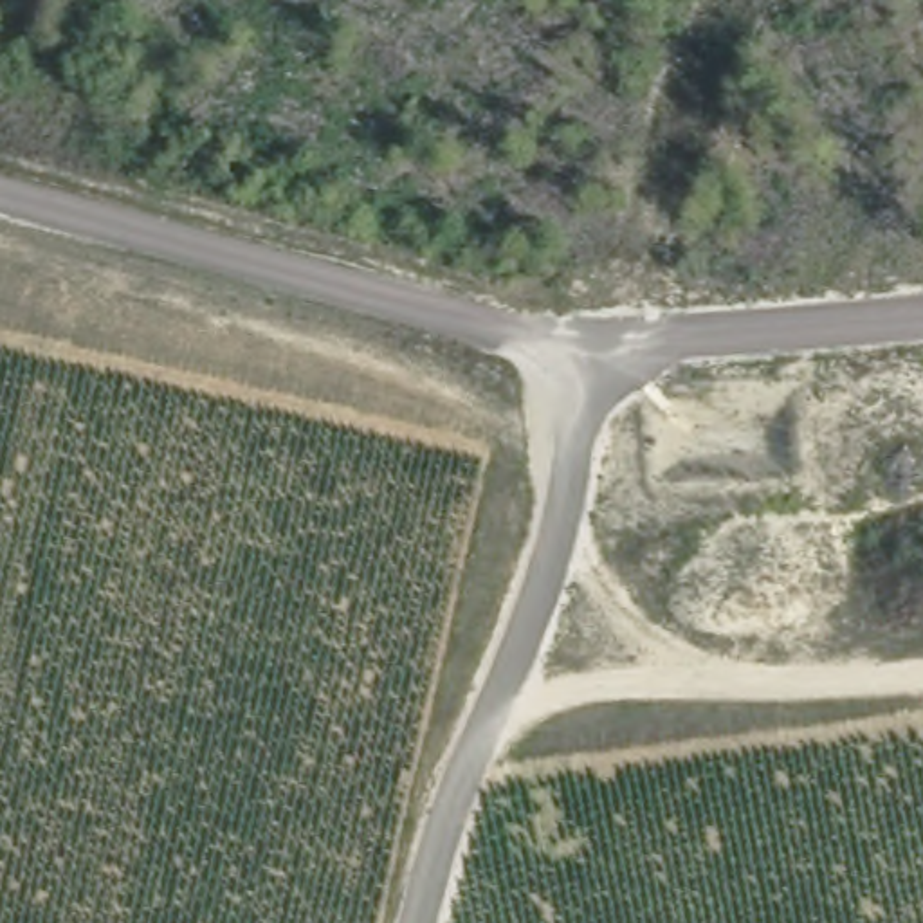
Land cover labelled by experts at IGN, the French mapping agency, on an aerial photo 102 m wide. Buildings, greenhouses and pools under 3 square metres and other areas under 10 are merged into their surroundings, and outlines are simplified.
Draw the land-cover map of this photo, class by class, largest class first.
<instances>
[{"label":"vineyard","instance_id":"1","mask_svg":"<svg viewBox=\"0 0 923 923\"><path fill-rule=\"evenodd\" d=\"M490 469L487 440L357 411L346 404L263 389L238 379L187 371L144 357L105 353L76 346L69 339L0 328V923H393L418 808L429 790L433 768L447 746V736L440 725H433V710L462 599L469 541ZM436 923H923V710L512 761V779L494 782L480 797L472 844H454Z\"/></svg>","mask_w":923,"mask_h":923},{"label":"coniferous trees","instance_id":"2","mask_svg":"<svg viewBox=\"0 0 923 923\"><path fill-rule=\"evenodd\" d=\"M707 0H0V177L54 187L90 202L123 206L245 245H274L299 256L339 252V260L350 263L393 260L397 267L418 278H440L451 296L494 292L501 303L516 310L566 314L606 306H617V281L609 260L645 267L681 263L685 242H660L671 216L685 213L696 227L707 231L714 213L728 220L743 206V213L754 224L761 220L754 180L743 166L739 133H750L754 141L775 151L818 144L822 137H829L826 123L815 119L804 83L790 76L782 61L743 58L746 40L754 32L746 22L732 18L728 25L714 29L699 22Z\"/></svg>","mask_w":923,"mask_h":923},{"label":"herbaceous vegetation","instance_id":"3","mask_svg":"<svg viewBox=\"0 0 923 923\"><path fill-rule=\"evenodd\" d=\"M0 328L69 339L76 346L105 353L144 357L187 371L238 379L263 389L346 404L357 411L487 440L490 469L469 541L462 599L433 710V725H440L447 736L483 656V645L494 631L505 588L512 580V566L519 559L534 516V483L526 462L530 436L519 368L498 353L472 350L462 339H447L436 328H418L407 321L350 310L343 303L274 288L270 281H252L231 270L155 256L144 249L87 245L76 238L40 234L0 220ZM663 397L656 404L631 407L613 425V476L599 490L591 512V537L599 555L617 570V577L645 609V617L663 624L671 635L685 638L696 649L746 663L923 656V602L916 606V617L898 624L876 617L873 591H862L851 580V530L883 512H905L912 505H923V343H865L840 346L836 353L811 357L808 350L772 361L707 357L703 368H678L660 386ZM638 656L606 624L602 609L591 606L588 591H580L570 599L562 613V627L555 635L544 674L559 678L591 667H635ZM923 710V692L851 699H606L548 714L544 721L530 725L508 750L512 761Z\"/></svg>","mask_w":923,"mask_h":923},{"label":"impervious surface","instance_id":"4","mask_svg":"<svg viewBox=\"0 0 923 923\"><path fill-rule=\"evenodd\" d=\"M0 220L40 234L76 238L87 245L144 249L155 256L231 270L252 281H270L274 288L343 303L350 310L407 321L418 328H436L447 339H462L472 350L498 353L519 368L530 436L526 462L534 483V516L519 559L512 566V580L505 588L494 631L483 645V656L447 736V746L433 768L429 790L418 808L393 923H436L454 844H472L480 797L494 782L512 779V761L508 750L501 757L494 754V736L505 717V707L519 696L534 667L537 642L562 591V577L577 544L580 505L599 429L617 400L645 386H660L678 368H703L707 357L772 361L808 350L811 357L836 353L840 346L865 343H923V296L779 310H746L743 303H736V310L725 314L696 310L660 321L609 317L606 306L566 314L516 310L501 303L494 292L451 296L440 278H418L397 267L393 260L350 263L339 260V252L299 256L274 245H245L123 206L90 202L54 187L0 177Z\"/></svg>","mask_w":923,"mask_h":923},{"label":"clear cut","instance_id":"5","mask_svg":"<svg viewBox=\"0 0 923 923\"><path fill-rule=\"evenodd\" d=\"M732 18L746 22L754 32L746 40L743 58L782 61L790 76L804 83L815 119L826 123L829 137H822L818 144L775 151L754 141L750 133H739L743 166L754 180L761 220L754 224L743 213V206L728 220L714 213L707 231L696 227L685 213L671 216L660 242H685L681 263L645 267L609 260L617 281V306H606L609 317L660 321L696 310L725 314L736 310V303H743L746 310H779L923 296V0H707L699 22L714 29L728 25Z\"/></svg>","mask_w":923,"mask_h":923},{"label":"pervious surface","instance_id":"6","mask_svg":"<svg viewBox=\"0 0 923 923\"><path fill-rule=\"evenodd\" d=\"M663 397L660 386H645L617 400L599 429L580 505L577 544L562 577V591L537 642L534 667L519 696L505 707V717L494 736V754L501 757L508 750L530 725L544 721L548 714L606 699H851L923 692V656L746 663L696 649L685 638L671 635L663 624L645 617V609L617 577V570L599 555L591 537V512L599 490L613 476V425L631 407L656 404ZM580 591H588L591 606L602 609L606 624L638 656L635 667H591L559 678L544 674L555 635L562 627V613L570 599Z\"/></svg>","mask_w":923,"mask_h":923},{"label":"brushwood","instance_id":"7","mask_svg":"<svg viewBox=\"0 0 923 923\"><path fill-rule=\"evenodd\" d=\"M851 580L862 591H873L876 617L898 624L916 617V606L923 602V505H912L905 512H883L851 530Z\"/></svg>","mask_w":923,"mask_h":923}]
</instances>
